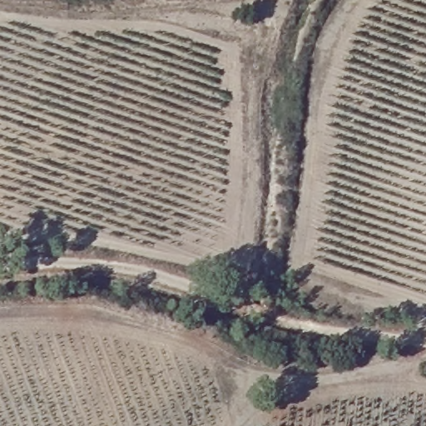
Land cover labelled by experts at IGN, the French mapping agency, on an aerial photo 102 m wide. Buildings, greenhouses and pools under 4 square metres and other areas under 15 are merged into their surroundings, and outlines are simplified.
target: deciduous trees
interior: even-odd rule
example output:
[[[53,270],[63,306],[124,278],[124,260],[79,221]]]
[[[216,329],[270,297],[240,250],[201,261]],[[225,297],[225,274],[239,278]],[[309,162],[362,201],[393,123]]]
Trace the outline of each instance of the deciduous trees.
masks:
[[[276,379],[263,376],[248,389],[246,396],[255,408],[271,411],[276,409],[278,401]]]
[[[271,90],[275,93],[275,100],[268,108],[270,128],[276,126],[281,135],[290,123],[298,125],[301,120],[303,82],[298,77],[283,80],[283,85]]]
[[[173,286],[158,283],[155,280],[155,273],[140,276],[121,275],[113,273],[111,268],[100,265],[67,270],[63,276],[40,276],[35,280],[30,278],[30,273],[25,271],[27,235],[23,233],[23,228],[15,230],[12,226],[0,223],[0,301],[23,301],[27,300],[28,296],[35,295],[38,298],[47,298],[48,301],[98,296],[100,300],[116,303],[125,310],[136,306],[140,311],[160,313],[168,316],[171,321],[183,323],[186,329],[200,328],[206,324],[213,326],[216,329],[216,338],[231,344],[236,353],[245,354],[248,358],[261,359],[271,368],[283,364],[283,369],[300,368],[308,373],[318,374],[319,368],[333,366],[336,373],[343,373],[366,366],[374,354],[389,361],[398,359],[399,356],[414,356],[419,363],[426,361],[426,305],[418,306],[414,305],[413,301],[404,301],[398,306],[376,308],[356,315],[343,315],[339,306],[331,308],[328,305],[321,305],[315,308],[313,301],[318,298],[321,286],[315,286],[308,293],[300,293],[300,286],[308,281],[313,265],[293,270],[288,265],[291,240],[283,235],[271,250],[266,248],[266,243],[253,245],[243,245],[236,250],[206,256],[203,260],[185,265],[186,273],[183,276],[190,278],[191,281],[188,291],[181,291]],[[278,316],[346,326],[348,331],[343,334],[319,334],[315,331],[285,328],[278,324]]]
[[[246,25],[255,23],[255,5],[250,3],[236,8],[233,20],[241,20]]]

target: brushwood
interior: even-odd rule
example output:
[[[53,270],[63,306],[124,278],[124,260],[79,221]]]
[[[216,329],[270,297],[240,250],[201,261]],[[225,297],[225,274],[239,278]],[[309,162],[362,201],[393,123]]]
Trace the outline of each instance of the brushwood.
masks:
[[[315,10],[315,25],[310,28],[310,32],[303,40],[300,58],[296,62],[293,60],[293,53],[296,37],[300,32],[301,20],[305,18],[308,3],[313,0],[293,0],[293,10],[288,12],[288,17],[281,27],[280,45],[276,52],[275,68],[283,75],[283,80],[298,77],[303,82],[301,120],[298,125],[290,123],[281,135],[276,126],[270,128],[270,176],[276,178],[281,185],[281,193],[276,196],[276,203],[286,208],[286,215],[283,216],[283,235],[291,240],[295,233],[296,210],[300,205],[301,175],[306,148],[305,128],[310,115],[311,72],[315,63],[313,57],[329,15],[334,12],[338,3],[343,3],[344,0],[323,0]]]

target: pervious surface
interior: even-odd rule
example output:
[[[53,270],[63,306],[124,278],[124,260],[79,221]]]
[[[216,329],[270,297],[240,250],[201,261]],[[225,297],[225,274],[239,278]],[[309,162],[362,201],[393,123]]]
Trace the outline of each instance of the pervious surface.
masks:
[[[278,324],[285,328],[315,331],[319,334],[343,334],[348,331],[346,326],[278,316]]]
[[[155,280],[158,283],[173,286],[181,291],[188,291],[191,281],[190,278],[183,276],[166,273],[158,266],[135,265],[105,258],[65,256],[53,263],[55,268],[67,270],[100,265],[111,268],[113,273],[121,275],[140,276],[155,273]]]

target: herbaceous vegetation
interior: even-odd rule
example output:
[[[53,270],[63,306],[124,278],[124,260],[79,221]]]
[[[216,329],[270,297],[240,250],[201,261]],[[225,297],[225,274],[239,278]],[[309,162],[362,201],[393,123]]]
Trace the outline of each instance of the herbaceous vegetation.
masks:
[[[55,268],[53,263],[38,263],[37,273],[30,273],[30,278],[35,280],[40,276],[63,276],[67,270]]]
[[[255,23],[246,25],[241,20],[233,20],[236,8],[250,3],[255,5]],[[270,176],[270,128],[268,108],[275,100],[275,93],[271,90],[283,85],[283,80],[283,75],[275,68],[276,52],[280,45],[281,27],[288,17],[288,12],[293,10],[293,0],[0,0],[0,12],[72,20],[146,20],[175,25],[206,37],[218,38],[223,42],[238,43],[241,50],[243,151],[253,156],[256,161],[260,161],[261,166],[260,225],[253,245],[266,243],[266,248],[271,250],[283,235],[283,216],[286,215],[286,208],[276,203],[276,196],[281,193],[281,185],[276,178]]]
[[[135,265],[158,266],[166,273],[183,276],[186,273],[185,265],[156,260],[128,251],[110,250],[103,246],[95,246],[93,243],[87,250],[67,250],[65,256],[105,258]]]

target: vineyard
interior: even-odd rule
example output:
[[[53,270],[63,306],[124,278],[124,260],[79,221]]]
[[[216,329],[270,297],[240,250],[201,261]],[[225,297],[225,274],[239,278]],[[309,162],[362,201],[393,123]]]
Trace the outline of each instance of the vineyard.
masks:
[[[38,298],[35,295],[28,296],[27,300],[23,301],[0,301],[0,426],[426,426],[426,361],[419,363],[414,356],[399,356],[398,359],[389,361],[374,354],[366,366],[343,373],[336,373],[333,366],[319,368],[318,374],[308,373],[300,368],[283,369],[283,364],[271,368],[261,359],[248,358],[245,354],[236,353],[231,344],[216,338],[216,329],[213,326],[206,324],[200,328],[186,329],[183,323],[171,321],[168,316],[160,313],[140,311],[136,306],[125,310],[116,303],[100,300],[98,296],[48,301],[47,298]],[[263,376],[276,379],[278,401],[276,409],[271,411],[255,408],[246,396],[248,389]]]
[[[310,28],[315,25],[315,10],[323,0],[313,0],[308,3],[305,18],[301,20],[300,32],[296,37],[293,53],[293,60],[296,62],[300,58],[303,40],[310,32]]]
[[[305,128],[306,148],[301,175],[300,205],[296,210],[295,233],[291,240],[288,265],[293,270],[313,265],[308,281],[300,286],[300,293],[308,293],[315,286],[321,286],[318,298],[313,301],[315,308],[321,305],[328,305],[331,308],[339,306],[343,315],[356,315],[376,308],[398,306],[404,301],[413,301],[414,305],[418,306],[426,305],[426,0],[344,0],[343,3],[338,3],[334,12],[329,15],[313,57],[315,63],[311,72],[310,115]]]
[[[87,250],[93,243],[95,246],[103,246],[110,250],[128,251],[156,260],[185,265],[203,260],[206,256],[236,250],[243,245],[253,245],[260,225],[261,166],[260,161],[256,161],[253,156],[243,151],[241,50],[238,43],[223,42],[218,38],[206,37],[175,25],[146,20],[72,20],[0,12],[0,223],[12,226],[15,230],[23,228],[23,233],[27,235],[25,271],[30,273],[37,273],[38,263],[53,263],[65,256],[67,250]]]

